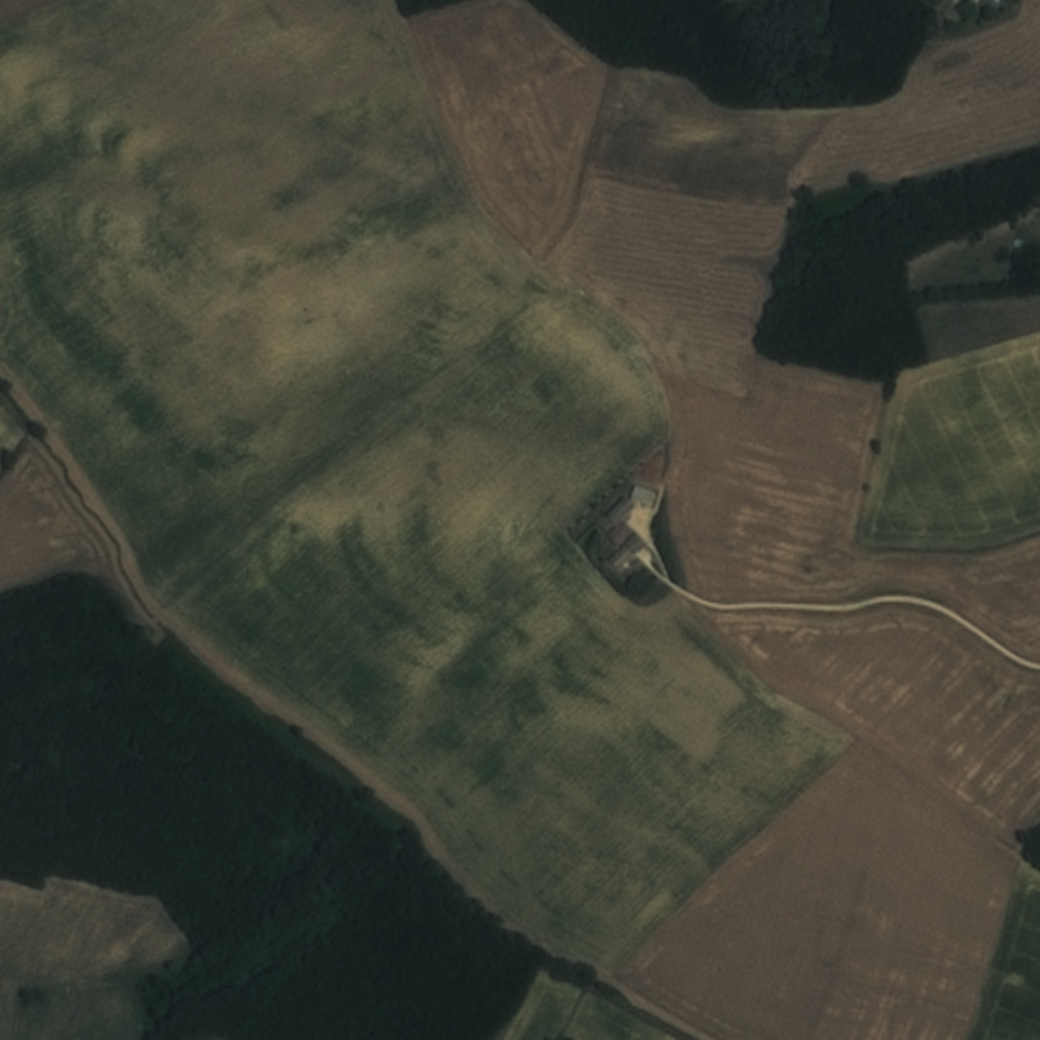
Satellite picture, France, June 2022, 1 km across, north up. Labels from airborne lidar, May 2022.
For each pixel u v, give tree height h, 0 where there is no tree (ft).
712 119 0
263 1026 29
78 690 75
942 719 0
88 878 46
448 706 0
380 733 0
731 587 0
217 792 49
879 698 0
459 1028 38
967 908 0
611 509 0
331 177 0
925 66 0
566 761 0
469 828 0
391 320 0
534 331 0
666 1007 0
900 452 0
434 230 0
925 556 0
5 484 0
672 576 38
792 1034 0
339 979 31
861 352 43
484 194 0
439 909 74
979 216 67
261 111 0
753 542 0
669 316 0
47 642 68
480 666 0
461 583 0
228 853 64
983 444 0
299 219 0
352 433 0
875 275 60
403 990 47
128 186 0
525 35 0
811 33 52
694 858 0
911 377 0
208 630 0
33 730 82
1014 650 0
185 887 62
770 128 0
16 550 0
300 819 35
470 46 0
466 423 0
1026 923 0
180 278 0
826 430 0
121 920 0
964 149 0
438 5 39
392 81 0
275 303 0
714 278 0
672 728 0
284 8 0
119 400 0
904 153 0
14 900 0
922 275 0
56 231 0
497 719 0
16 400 0
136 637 73
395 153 0
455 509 0
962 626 0
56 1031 0
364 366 0
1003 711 0
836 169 0
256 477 0
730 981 0
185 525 0
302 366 0
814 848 0
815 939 0
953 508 0
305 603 0
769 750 0
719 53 68
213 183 0
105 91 0
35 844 44
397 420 0
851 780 0
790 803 0
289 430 0
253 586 0
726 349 0
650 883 0
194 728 60
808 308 43
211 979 37
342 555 0
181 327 0
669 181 0
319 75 0
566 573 0
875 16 72
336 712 0
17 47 0
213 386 0
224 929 61
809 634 0
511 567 0
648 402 0
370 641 0
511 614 0
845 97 45
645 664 0
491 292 0
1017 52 0
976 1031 0
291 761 63
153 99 0
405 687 0
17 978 0
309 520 0
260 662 0
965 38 0
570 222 0
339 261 0
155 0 0
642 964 0
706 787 0
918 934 0
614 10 52
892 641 0
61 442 0
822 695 0
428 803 0
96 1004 0
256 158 0
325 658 0
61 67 0
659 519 28
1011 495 0
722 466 0
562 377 0
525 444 0
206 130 0
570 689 0
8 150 0
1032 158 71
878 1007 0
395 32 0
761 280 0
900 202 62
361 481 0
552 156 0
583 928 0
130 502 0
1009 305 0
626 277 0
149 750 73
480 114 0
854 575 0
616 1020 0
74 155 0
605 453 0
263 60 0
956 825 0
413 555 0
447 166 0
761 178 0
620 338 0
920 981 0
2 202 0
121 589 0
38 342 0
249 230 0
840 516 0
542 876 0
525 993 37
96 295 0
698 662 0
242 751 66
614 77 0
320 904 23
